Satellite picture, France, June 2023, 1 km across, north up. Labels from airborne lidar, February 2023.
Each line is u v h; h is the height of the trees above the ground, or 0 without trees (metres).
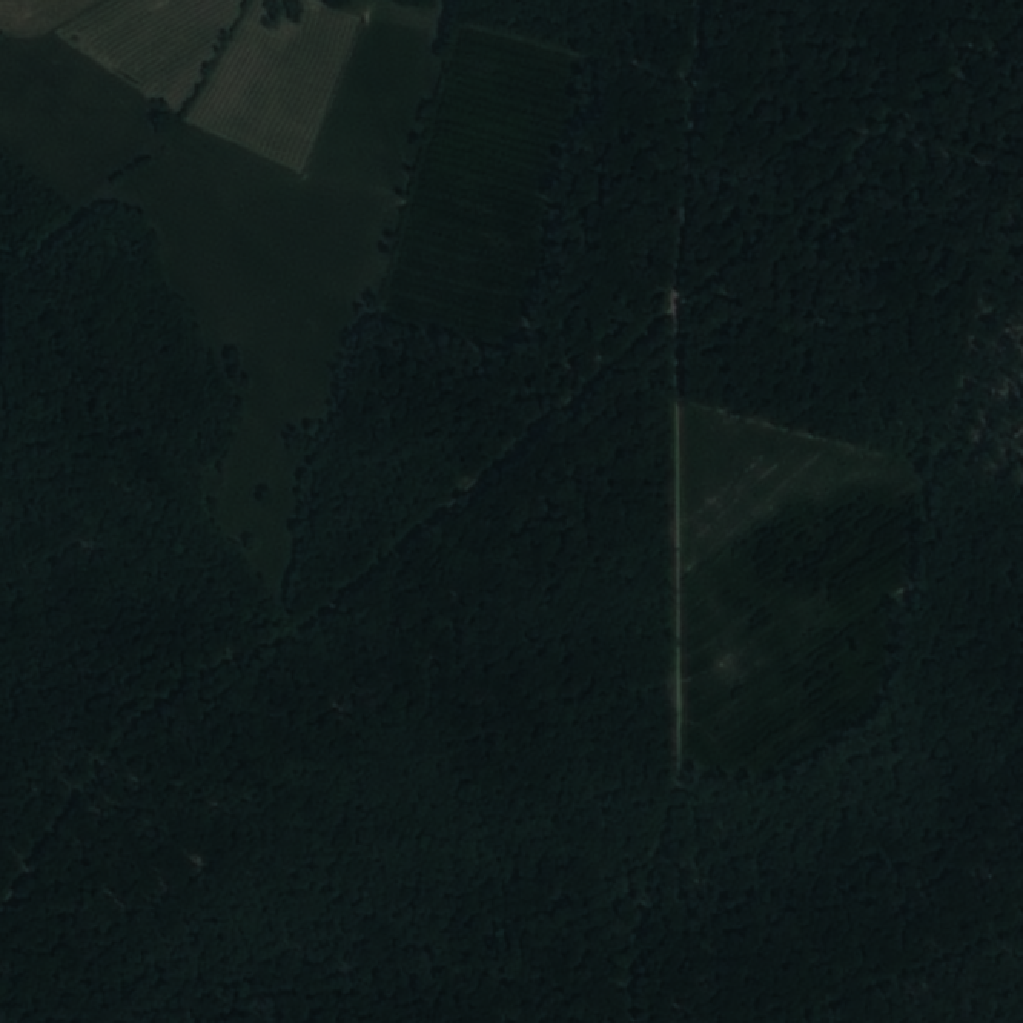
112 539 26
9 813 24
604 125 31
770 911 31
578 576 28
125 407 28
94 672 24
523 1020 33
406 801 25
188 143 0
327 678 27
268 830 21
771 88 25
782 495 0
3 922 23
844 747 24
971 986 26
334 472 19
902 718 25
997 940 23
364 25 0
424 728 26
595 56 25
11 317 25
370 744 26
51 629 23
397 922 26
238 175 0
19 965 27
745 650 0
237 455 0
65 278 26
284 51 0
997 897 27
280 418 0
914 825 26
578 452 33
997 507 23
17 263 20
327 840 27
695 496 0
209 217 0
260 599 22
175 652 25
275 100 0
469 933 30
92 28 0
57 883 23
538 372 30
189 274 0
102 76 0
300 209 0
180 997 27
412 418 27
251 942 22
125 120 0
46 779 23
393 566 22
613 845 23
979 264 30
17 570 24
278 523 0
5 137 0
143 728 22
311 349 0
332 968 27
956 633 26
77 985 25
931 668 26
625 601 27
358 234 0
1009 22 28
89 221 21
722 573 0
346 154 0
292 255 0
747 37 30
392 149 0
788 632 0
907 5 27
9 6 0
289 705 27
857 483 0
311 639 19
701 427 0
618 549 26
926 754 25
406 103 0
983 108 33
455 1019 26
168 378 26
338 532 23
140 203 0
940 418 25
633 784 23
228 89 0
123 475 25
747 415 30
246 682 26
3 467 23
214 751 25
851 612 0
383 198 0
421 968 32
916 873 29
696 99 25
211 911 24
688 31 26
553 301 30
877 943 25
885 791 23
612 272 32
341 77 0
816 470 0
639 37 28
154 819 25
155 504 22
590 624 28
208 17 0
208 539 24
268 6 12
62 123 0
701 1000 25
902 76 30
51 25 0
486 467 19
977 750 27
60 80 0
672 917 30
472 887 26
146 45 0
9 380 29
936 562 25
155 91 0
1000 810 27
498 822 23
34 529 25
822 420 25
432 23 0
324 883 21
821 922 29
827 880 28
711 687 0
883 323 29
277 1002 33
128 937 25
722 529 0
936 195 32
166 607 23
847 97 30
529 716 29
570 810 25
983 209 28
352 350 20
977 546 30
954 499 27
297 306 0
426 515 17
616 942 31
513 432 28
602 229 32
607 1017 28
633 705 22
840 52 31
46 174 0
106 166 0
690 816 20
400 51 0
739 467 0
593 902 27
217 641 23
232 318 0
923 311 30
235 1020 31
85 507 26
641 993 27
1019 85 29
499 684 29
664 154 31
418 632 28
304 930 24
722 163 29
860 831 26
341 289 0
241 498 0
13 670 21
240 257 0
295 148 0
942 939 25
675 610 19
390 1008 28
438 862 26
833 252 33
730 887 29
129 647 25
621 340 29
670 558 24
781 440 0
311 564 22
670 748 22
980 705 27
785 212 25
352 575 21
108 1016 28
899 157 30
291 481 0
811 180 27
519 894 27
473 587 28
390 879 26
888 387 31
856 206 31
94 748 25
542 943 28
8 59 0
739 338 32
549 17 24
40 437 25
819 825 23
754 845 20
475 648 27
